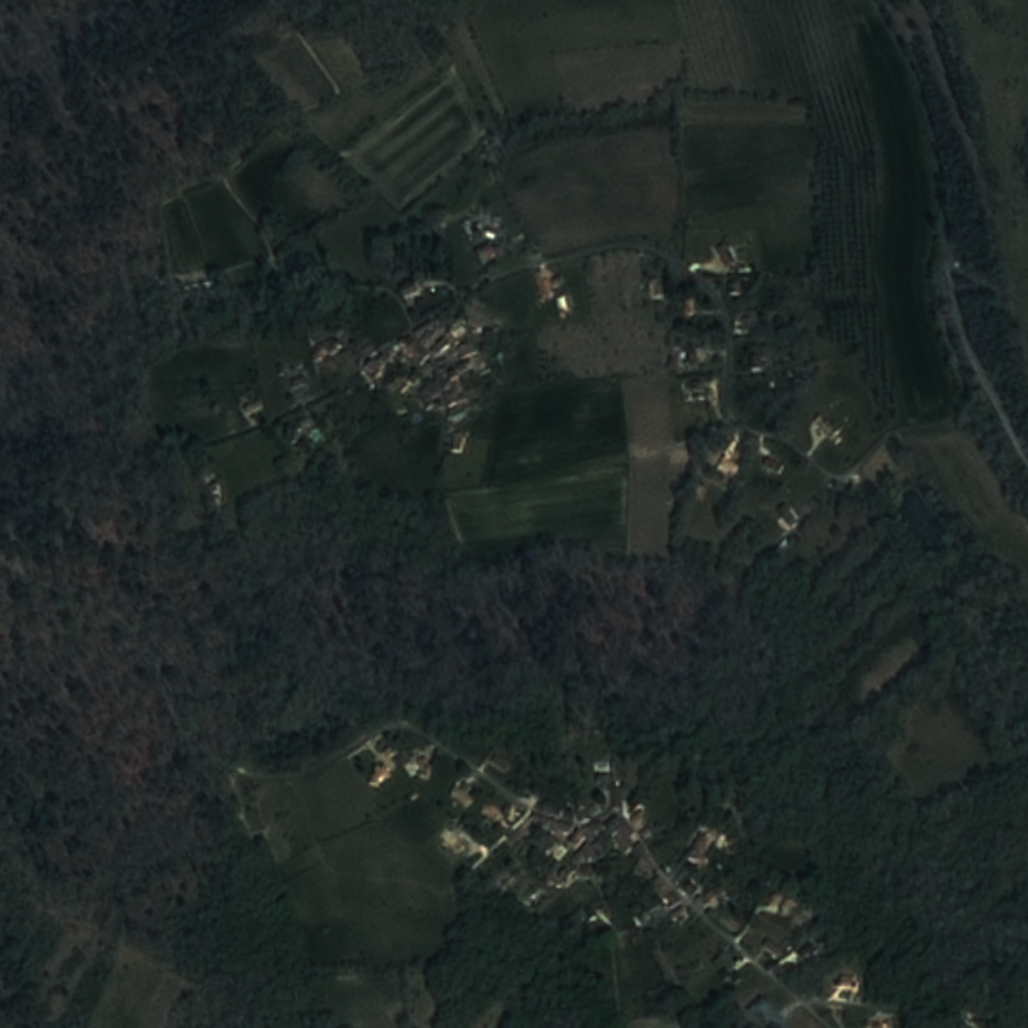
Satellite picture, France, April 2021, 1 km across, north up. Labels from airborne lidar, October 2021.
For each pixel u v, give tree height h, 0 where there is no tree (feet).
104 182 74
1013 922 64
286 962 71
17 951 54
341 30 59
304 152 46
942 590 58
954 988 51
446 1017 62
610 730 34
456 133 0
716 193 0
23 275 42
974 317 44
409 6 77
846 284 72
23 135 78
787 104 22
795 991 65
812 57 52
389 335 0
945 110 63
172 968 58
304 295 57
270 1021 75
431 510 50
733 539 37
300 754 55
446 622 48
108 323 47
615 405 0
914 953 37
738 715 86
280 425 28
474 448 0
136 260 45
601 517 0
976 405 53
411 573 56
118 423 60
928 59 54
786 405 43
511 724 71
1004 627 47
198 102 75
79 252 83
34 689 56
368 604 80
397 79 67
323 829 0
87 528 50
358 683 76
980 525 0
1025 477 32
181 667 49
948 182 53
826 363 0
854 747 65
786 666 88
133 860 44
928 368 0
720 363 30
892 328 0
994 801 76
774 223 0
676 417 0
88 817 60
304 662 72
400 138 0
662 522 0
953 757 0
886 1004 45
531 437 0
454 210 0
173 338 85
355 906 0
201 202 0
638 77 0
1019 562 0
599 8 0
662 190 0
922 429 0
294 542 49
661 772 65
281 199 0
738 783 43
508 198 23
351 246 0
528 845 19
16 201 78
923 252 0
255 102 27
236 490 0
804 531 41
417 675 69
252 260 0
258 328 43
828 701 72
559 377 27
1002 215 0
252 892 60
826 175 45
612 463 0
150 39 78
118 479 73
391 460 0
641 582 37
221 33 82
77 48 36
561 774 62
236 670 43
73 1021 17
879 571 63
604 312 0
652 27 0
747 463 43
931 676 81
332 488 88
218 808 49
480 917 53
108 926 52
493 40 0
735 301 22
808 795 87
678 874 25
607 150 0
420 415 0
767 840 43
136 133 22
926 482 65
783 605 62
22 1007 56
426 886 0
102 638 52
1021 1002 65
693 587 34
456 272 31
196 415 0
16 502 58
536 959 68
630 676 65
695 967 20
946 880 63
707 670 78
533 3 0
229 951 65
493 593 65
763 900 73
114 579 73
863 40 0
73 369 36
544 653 83
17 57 58
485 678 85
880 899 40
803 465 41
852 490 33
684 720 70
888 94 0
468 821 27
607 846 22
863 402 0
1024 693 35
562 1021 67
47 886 66
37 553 72
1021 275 0
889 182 0
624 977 0
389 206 0
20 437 47
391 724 60
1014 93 0
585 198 0
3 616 60
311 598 50
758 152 0
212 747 64
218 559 80
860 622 68
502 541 0
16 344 40
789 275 34
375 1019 0
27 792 44
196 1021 63
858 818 71
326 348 0
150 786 41
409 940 0
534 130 49
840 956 43
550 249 0
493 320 0
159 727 34
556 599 32
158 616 30
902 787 67
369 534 83
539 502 0
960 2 0
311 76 0
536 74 0
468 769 43
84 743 26
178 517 54
